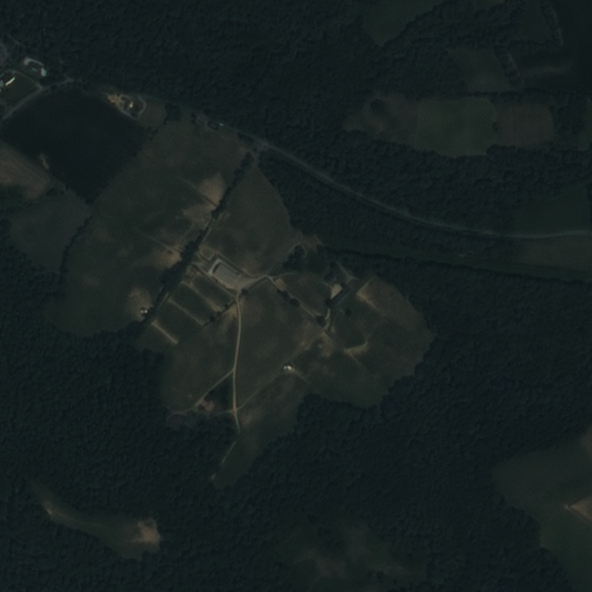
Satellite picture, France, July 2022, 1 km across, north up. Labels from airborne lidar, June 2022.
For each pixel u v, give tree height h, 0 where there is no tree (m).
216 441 23
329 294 0
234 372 0
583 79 0
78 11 25
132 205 0
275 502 24
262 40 12
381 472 30
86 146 0
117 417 29
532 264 0
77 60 23
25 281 14
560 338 22
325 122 19
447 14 25
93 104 0
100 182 0
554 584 32
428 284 26
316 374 0
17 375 23
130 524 0
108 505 20
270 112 25
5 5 26
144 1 24
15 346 21
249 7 16
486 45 15
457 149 0
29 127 0
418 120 0
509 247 18
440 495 24
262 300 0
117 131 0
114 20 21
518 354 18
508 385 33
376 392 0
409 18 0
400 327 0
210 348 0
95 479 26
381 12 0
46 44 18
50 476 25
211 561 28
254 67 16
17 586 26
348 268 15
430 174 24
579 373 30
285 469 25
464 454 24
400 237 16
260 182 0
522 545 31
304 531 0
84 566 22
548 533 0
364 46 17
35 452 29
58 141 0
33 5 28
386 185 23
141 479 18
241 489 21
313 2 22
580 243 0
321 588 0
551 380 27
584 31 0
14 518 33
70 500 21
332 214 18
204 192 0
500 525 35
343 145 22
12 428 23
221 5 19
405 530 22
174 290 15
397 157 21
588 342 25
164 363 19
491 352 25
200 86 22
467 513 27
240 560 31
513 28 21
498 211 22
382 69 27
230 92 29
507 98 16
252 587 29
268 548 23
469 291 19
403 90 17
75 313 0
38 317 23
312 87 15
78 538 22
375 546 0
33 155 0
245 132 18
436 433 24
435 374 32
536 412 33
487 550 33
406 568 0
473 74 0
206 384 0
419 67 17
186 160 0
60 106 0
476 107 0
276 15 23
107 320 0
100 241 0
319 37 27
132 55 21
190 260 17
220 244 0
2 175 0
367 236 18
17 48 18
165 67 28
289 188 23
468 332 32
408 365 0
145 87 20
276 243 0
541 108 0
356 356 0
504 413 28
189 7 18
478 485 22
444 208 22
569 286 18
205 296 0
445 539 32
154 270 0
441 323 28
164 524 22
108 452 23
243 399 0
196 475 25
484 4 0
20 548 22
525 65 0
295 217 18
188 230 0
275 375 0
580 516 0
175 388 0
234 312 0
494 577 11
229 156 0
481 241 27
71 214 0
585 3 0
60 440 26
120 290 0
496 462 22
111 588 23
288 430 0
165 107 0
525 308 15
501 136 0
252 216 0
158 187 0
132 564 17
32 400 18
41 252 0
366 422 25
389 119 0
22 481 12
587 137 0
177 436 21
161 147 0
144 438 25
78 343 22
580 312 20
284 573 22
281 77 15
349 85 14
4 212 8
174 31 23
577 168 27
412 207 22
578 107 16
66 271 19
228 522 26
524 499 0
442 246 20
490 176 22
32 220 0
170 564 23
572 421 30
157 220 0
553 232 0
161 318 0
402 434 28
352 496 30
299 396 0
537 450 25
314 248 0
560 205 0
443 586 21
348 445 27
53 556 26
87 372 24
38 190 0
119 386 28
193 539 27
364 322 0
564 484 0
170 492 29
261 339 0
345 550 0
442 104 0
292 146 17
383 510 23
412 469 33
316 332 0
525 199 21
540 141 0
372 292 0
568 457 0
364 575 0
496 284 19
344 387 0
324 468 33
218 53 23
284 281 0
